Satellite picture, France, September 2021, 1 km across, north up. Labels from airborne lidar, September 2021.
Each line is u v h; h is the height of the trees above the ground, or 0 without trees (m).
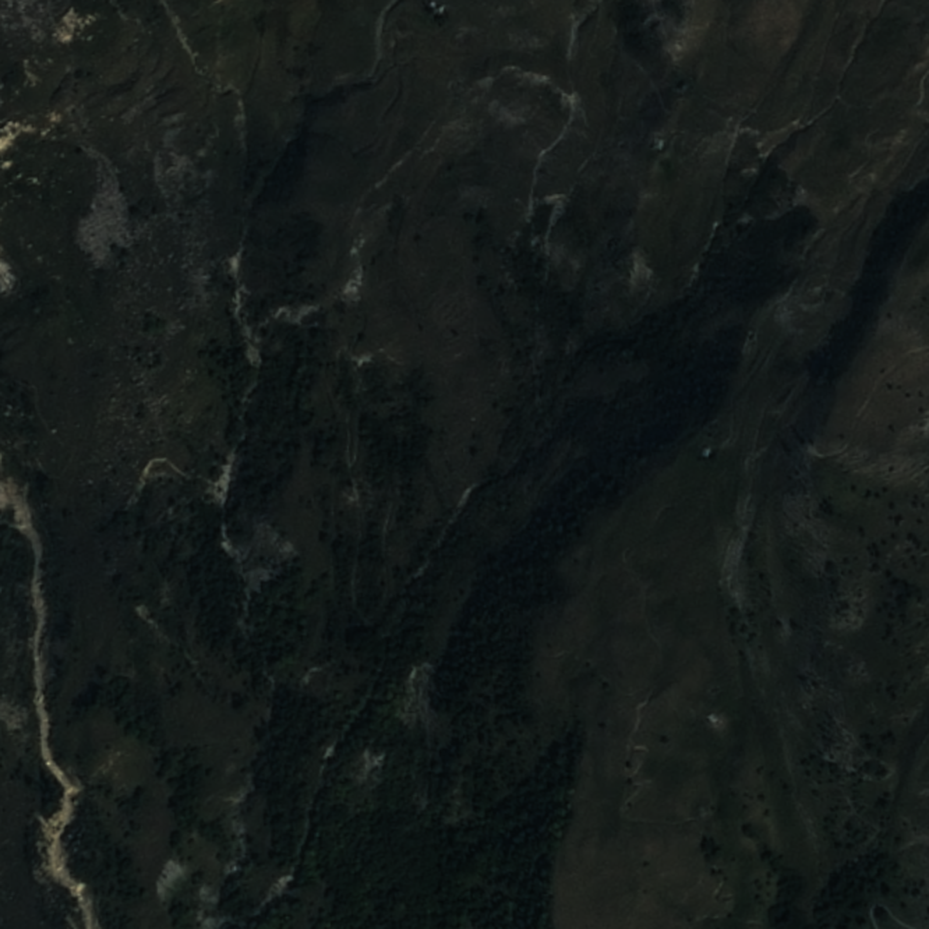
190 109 0
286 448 9
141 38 0
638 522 0
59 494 0
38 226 0
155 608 5
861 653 0
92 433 0
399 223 0
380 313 0
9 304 0
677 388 6
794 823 0
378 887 9
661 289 0
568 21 0
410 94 0
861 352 0
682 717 0
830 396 0
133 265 0
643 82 0
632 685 0
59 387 0
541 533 8
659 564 0
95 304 0
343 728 9
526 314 7
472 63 0
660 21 0
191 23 0
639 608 0
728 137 0
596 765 0
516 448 0
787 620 0
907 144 0
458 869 13
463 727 7
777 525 0
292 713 8
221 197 0
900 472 0
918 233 0
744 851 0
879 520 0
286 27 0
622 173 0
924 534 0
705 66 0
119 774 0
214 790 0
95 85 0
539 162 0
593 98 0
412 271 0
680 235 0
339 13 0
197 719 0
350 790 9
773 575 0
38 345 0
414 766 8
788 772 0
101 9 0
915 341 0
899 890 0
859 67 0
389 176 0
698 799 0
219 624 13
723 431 0
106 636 0
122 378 0
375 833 10
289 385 9
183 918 9
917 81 0
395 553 0
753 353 0
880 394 0
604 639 0
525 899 9
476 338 0
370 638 12
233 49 0
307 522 0
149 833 0
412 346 0
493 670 8
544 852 7
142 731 12
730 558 0
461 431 0
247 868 8
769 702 0
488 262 0
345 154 0
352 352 0
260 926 10
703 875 0
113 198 0
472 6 0
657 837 0
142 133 0
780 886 9
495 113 0
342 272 0
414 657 8
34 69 0
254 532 0
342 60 0
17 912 0
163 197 0
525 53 0
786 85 0
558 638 0
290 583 9
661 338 8
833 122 0
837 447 0
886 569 0
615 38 0
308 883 11
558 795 12
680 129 0
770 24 0
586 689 0
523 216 0
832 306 0
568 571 0
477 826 7
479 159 0
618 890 0
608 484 10
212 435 0
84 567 0
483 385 0
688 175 0
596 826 0
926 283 0
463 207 0
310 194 0
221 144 0
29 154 0
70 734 0
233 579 13
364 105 0
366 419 9
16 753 0
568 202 0
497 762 6
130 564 0
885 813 15
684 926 0
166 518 7
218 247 0
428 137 0
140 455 0
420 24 0
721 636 0
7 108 0
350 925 7
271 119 0
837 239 0
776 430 0
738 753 0
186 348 0
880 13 0
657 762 0
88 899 0
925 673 0
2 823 0
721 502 0
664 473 0
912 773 0
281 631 8
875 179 0
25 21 0
